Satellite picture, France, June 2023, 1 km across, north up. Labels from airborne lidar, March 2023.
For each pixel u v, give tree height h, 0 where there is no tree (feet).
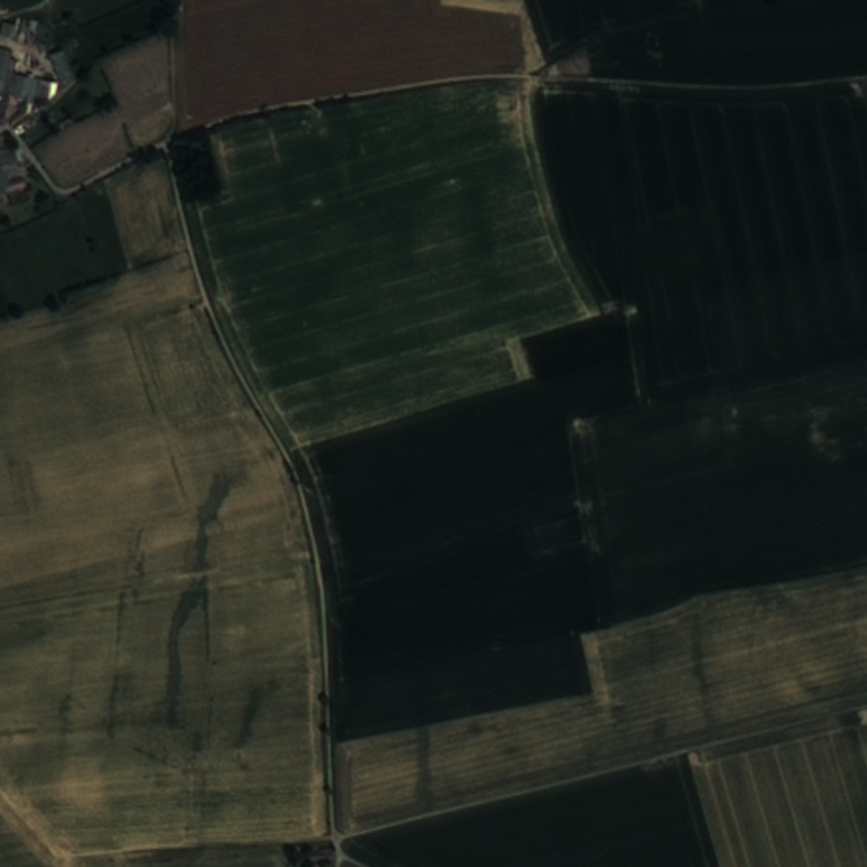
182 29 0
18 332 0
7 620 0
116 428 0
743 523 0
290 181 0
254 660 0
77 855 0
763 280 0
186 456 0
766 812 0
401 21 0
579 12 0
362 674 0
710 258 0
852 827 0
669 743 0
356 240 0
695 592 0
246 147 0
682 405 0
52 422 0
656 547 0
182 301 0
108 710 0
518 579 0
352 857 0
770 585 0
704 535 0
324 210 0
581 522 0
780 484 0
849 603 0
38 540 0
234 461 0
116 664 0
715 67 0
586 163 0
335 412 0
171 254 0
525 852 0
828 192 0
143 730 0
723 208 0
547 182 0
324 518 0
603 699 0
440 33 0
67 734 0
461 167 0
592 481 0
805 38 0
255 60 0
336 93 0
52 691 0
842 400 0
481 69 0
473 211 0
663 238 0
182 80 0
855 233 0
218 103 0
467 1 0
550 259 0
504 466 0
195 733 0
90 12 0
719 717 0
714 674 0
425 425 0
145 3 0
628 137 0
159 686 0
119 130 0
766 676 0
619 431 0
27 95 0
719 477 0
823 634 0
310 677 0
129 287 0
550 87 0
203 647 0
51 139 0
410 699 0
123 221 0
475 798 0
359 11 0
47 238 0
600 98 0
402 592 0
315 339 0
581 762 0
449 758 0
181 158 40
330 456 0
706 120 0
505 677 0
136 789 0
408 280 0
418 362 0
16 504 0
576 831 0
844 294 0
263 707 0
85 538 0
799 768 0
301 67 0
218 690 0
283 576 0
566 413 0
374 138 0
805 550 0
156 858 0
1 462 0
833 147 0
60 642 0
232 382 0
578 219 0
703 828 0
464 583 0
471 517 0
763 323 0
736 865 0
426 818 0
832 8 0
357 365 0
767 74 0
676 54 0
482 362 0
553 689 0
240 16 0
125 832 0
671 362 0
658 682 0
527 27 0
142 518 0
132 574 0
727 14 0
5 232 0
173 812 0
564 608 0
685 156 0
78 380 0
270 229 0
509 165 0
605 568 0
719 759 0
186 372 0
